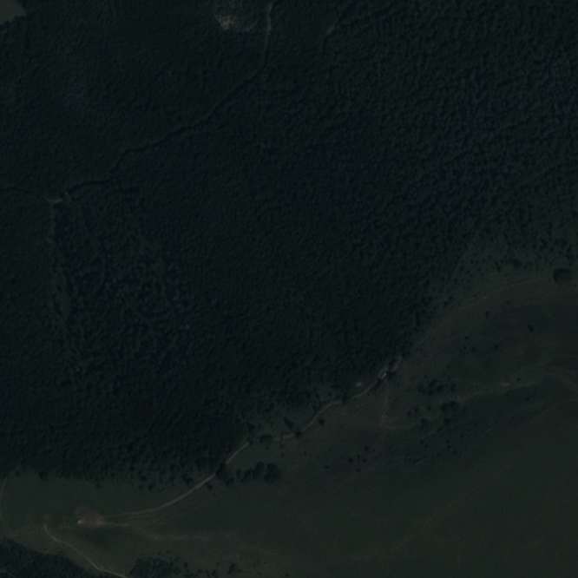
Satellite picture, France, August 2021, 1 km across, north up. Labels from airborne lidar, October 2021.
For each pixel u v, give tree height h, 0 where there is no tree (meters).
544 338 0
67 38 19
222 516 0
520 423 0
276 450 0
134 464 12
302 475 0
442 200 14
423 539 0
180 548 0
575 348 0
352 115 20
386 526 0
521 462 0
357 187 21
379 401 0
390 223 10
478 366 0
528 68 19
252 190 22
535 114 21
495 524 0
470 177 12
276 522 0
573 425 0
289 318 22
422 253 7
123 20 17
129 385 25
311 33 14
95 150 21
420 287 7
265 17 13
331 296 19
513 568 0
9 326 22
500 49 15
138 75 21
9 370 20
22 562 11
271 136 23
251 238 21
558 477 0
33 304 27
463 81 18
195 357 22
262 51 17
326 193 21
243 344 12
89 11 14
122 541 0
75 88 14
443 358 0
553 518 0
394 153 22
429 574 0
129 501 0
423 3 17
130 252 21
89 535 0
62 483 0
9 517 0
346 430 0
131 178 19
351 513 0
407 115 23
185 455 10
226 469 10
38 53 18
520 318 0
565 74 20
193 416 19
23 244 23
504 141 24
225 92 19
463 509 0
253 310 18
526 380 0
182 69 19
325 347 23
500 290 0
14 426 18
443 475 0
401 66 19
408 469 0
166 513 0
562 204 11
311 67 24
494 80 18
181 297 11
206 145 16
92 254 23
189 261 25
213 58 22
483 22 14
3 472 6
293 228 21
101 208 21
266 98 24
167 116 25
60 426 16
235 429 18
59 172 19
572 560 0
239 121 29
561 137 9
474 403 0
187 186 17
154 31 24
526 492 0
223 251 23
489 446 0
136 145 16
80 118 16
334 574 0
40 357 19
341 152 26
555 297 0
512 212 7
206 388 19
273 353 20
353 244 9
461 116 13
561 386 0
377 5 22
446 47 19
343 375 18
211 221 21
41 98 21
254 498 0
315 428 0
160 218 18
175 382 24
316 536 0
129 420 21
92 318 16
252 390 16
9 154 21
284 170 18
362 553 0
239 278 21
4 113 21
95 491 0
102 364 21
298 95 24
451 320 0
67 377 12
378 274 11
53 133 22
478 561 0
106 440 15
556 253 8
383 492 0
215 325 20
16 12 0
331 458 0
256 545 0
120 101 24
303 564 0
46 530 0
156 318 20
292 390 11
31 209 23
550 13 7
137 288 21
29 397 20
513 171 19
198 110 26
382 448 0
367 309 17
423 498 0
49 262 21
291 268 21
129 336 21
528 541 0
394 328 16
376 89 24
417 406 0
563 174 10
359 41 17
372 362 8
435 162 15
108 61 21
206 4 8
